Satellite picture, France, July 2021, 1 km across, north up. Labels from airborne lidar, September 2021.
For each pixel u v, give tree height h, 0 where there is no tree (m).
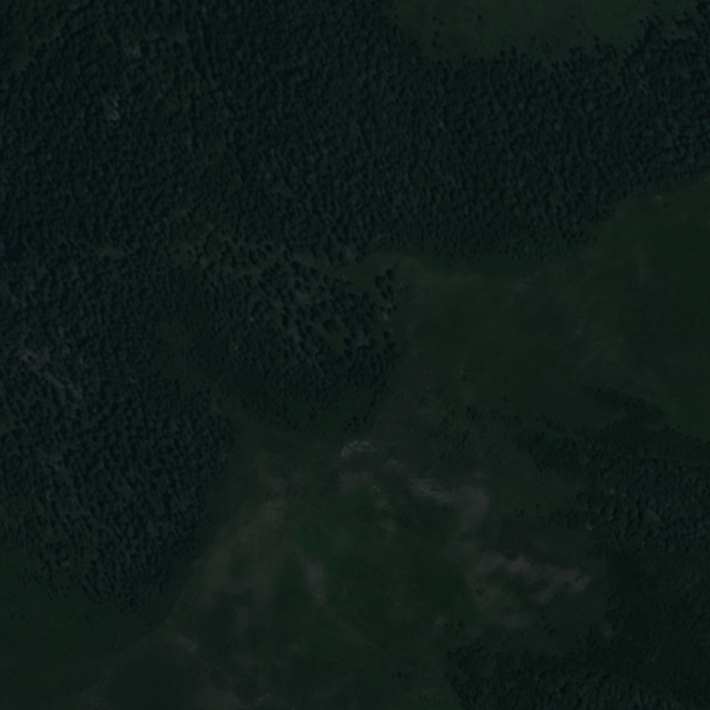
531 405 0
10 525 6
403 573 0
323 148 15
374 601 0
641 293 0
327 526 0
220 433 8
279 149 17
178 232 15
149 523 26
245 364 13
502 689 15
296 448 0
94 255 19
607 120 19
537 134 21
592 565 0
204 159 23
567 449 21
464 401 0
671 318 0
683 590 10
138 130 23
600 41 14
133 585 9
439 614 0
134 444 20
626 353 0
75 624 0
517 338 0
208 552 0
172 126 22
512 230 17
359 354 15
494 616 0
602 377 0
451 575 0
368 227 22
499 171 22
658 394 0
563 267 0
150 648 0
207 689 0
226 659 0
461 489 0
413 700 0
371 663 0
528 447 8
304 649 0
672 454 15
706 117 20
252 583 0
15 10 34
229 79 26
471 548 0
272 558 0
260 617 0
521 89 17
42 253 20
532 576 0
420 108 21
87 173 23
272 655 0
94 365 14
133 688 0
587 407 0
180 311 9
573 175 14
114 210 19
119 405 11
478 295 0
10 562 0
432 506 0
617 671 17
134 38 24
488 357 0
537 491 0
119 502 13
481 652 18
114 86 25
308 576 0
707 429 0
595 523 16
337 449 0
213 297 14
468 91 22
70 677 0
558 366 0
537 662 11
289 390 10
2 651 0
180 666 0
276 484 0
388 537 0
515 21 0
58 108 12
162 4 29
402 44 18
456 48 0
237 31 21
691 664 12
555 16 0
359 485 0
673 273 0
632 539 19
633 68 17
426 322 0
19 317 15
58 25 27
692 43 11
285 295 28
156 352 8
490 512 0
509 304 0
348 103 24
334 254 28
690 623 20
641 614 15
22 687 0
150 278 8
